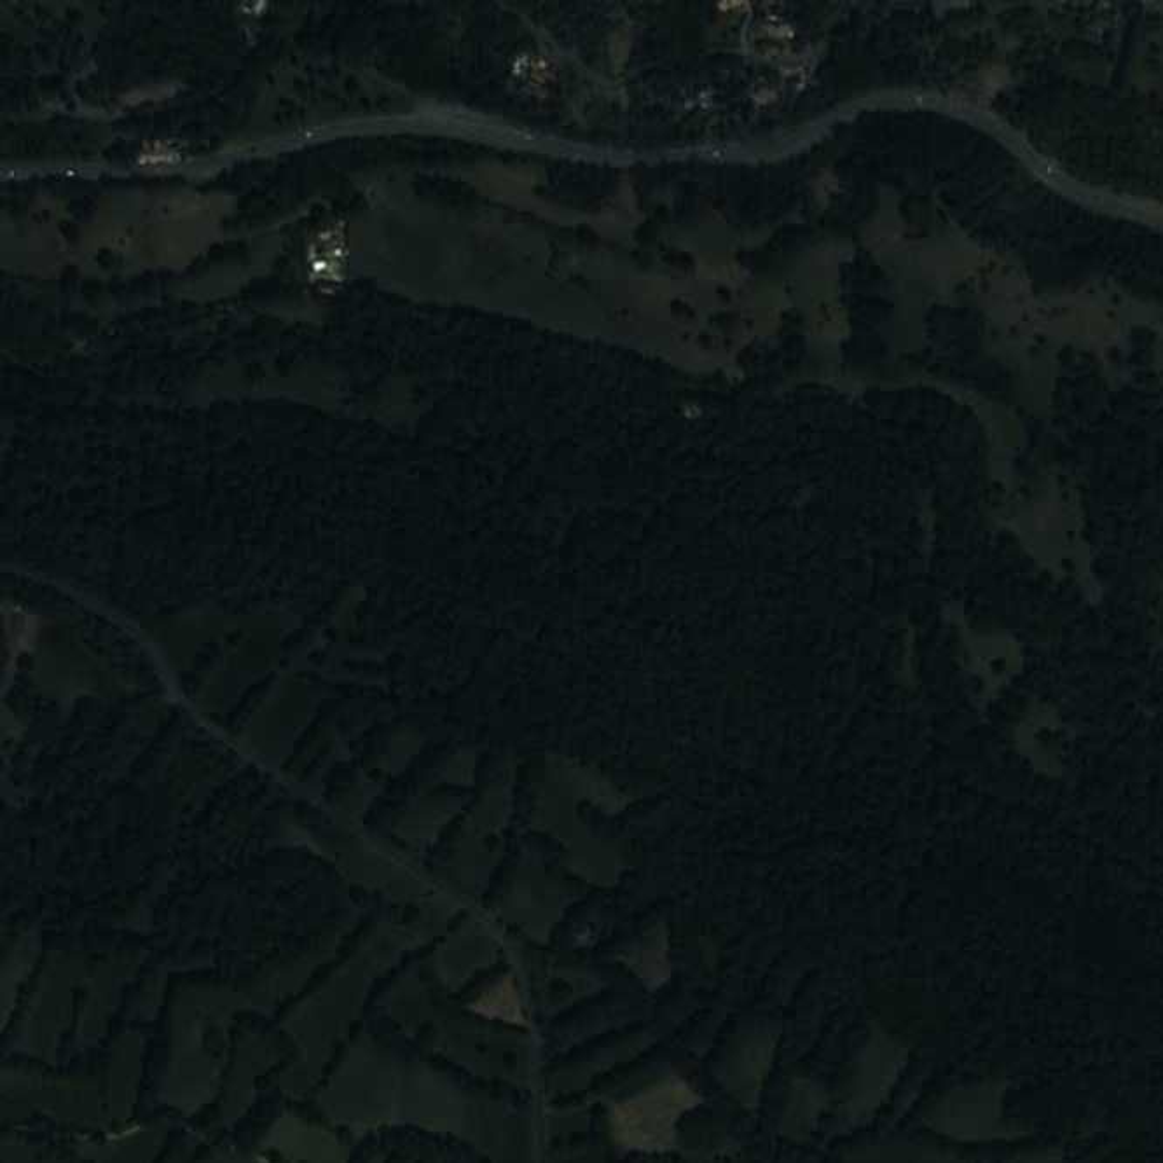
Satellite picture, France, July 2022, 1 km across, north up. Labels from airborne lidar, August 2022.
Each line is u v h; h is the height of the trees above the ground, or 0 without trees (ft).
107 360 25
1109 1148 44
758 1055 0
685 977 67
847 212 54
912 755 84
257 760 0
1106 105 18
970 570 77
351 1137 33
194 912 70
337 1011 0
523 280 0
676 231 0
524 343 73
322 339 50
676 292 0
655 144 43
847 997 30
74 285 53
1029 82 27
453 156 48
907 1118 33
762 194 45
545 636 77
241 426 77
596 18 26
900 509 68
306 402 0
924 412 73
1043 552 0
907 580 97
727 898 76
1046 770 0
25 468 70
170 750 63
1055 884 82
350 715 70
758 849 76
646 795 21
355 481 32
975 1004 52
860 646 45
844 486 76
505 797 0
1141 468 53
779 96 21
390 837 31
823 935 75
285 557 40
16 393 68
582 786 0
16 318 52
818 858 77
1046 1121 66
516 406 78
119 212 0
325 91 60
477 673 89
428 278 0
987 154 47
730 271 0
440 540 86
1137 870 103
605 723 58
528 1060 0
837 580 57
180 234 0
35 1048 0
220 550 53
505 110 43
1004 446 0
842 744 71
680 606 69
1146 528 67
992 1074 38
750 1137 53
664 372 78
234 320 22
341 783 72
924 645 77
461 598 105
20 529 50
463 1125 0
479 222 0
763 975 38
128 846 75
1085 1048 78
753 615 44
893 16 47
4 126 28
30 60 72
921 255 0
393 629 66
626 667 76
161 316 45
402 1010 0
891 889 89
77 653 0
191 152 24
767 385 66
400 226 0
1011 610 66
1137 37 44
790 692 68
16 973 0
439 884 0
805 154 51
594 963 53
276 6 53
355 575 60
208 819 59
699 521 75
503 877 54
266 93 0
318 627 42
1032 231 50
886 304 55
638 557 83
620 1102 0
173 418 52
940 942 90
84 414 85
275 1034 36
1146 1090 63
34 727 56
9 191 51
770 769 79
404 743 0
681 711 64
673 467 64
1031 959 84
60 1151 37
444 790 51
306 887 54
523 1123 0
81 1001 48
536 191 28
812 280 0
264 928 60
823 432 80
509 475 36
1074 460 88
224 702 0
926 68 20
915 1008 33
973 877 75
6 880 40
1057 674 75
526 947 44
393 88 0
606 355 68
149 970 49
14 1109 0
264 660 0
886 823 45
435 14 45
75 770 38
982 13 32
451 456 85
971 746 96
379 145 51
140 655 39
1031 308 0
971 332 28
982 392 36
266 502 79
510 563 98
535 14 29
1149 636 23
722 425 31
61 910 66
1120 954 82
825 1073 47
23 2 49
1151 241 49
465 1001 37
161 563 53
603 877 0
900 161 73
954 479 74
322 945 41
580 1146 44
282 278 52
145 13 39
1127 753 74
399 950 0
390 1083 0
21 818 70
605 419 60
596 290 0
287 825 0
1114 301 29
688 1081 57
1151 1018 74
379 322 46
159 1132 0
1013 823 68
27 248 0
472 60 24
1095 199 0
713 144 0
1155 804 72
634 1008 57
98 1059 62
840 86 36
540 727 68
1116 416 45
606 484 65
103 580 51
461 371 81
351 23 70
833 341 0
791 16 36
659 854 33
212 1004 0
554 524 76
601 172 41
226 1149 28
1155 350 35
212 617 0
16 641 0
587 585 78
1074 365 53
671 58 39
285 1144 0
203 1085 0
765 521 63
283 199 57
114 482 77
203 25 36
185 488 72
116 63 32
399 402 0
